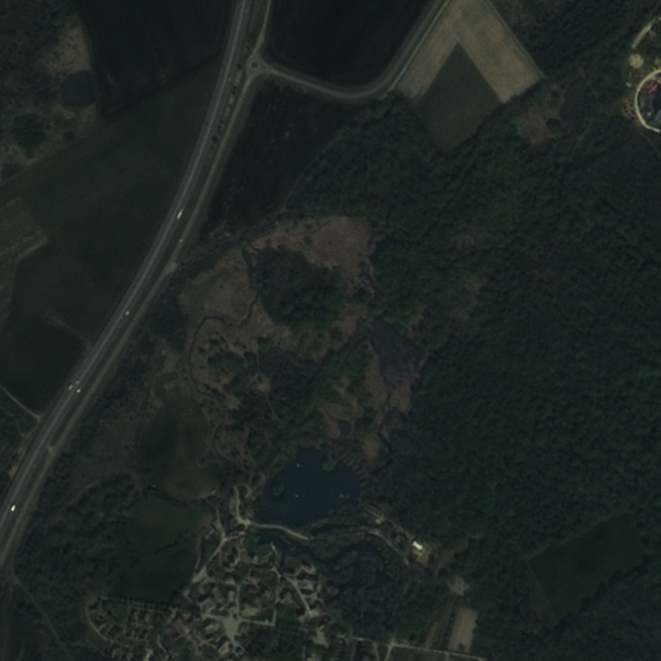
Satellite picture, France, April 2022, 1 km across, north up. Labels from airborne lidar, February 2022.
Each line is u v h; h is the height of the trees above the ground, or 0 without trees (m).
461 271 13
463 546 0
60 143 0
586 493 20
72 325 0
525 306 16
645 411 19
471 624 0
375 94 0
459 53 0
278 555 5
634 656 29
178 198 0
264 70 0
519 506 19
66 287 0
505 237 15
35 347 0
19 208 0
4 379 0
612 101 9
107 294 0
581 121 6
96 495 14
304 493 0
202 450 0
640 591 26
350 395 8
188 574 0
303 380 15
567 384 19
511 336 11
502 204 19
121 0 0
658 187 16
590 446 24
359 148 13
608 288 9
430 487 22
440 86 0
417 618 21
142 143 0
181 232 0
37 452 0
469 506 21
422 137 14
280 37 0
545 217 9
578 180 20
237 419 10
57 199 0
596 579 0
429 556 0
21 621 0
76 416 0
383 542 9
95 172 0
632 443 26
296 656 7
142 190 0
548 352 17
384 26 0
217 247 6
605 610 27
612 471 24
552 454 26
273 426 14
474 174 16
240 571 14
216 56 0
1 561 0
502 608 10
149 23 0
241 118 0
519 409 18
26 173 0
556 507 22
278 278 13
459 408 22
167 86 0
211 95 0
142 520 0
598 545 0
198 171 0
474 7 0
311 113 0
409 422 21
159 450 0
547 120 8
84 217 0
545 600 0
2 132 6
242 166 0
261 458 15
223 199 0
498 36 0
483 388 18
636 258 6
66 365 0
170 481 0
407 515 18
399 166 12
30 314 0
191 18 0
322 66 0
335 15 0
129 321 0
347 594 12
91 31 0
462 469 22
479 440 20
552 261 15
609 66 7
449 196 19
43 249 0
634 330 19
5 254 0
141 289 0
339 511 9
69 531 15
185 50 0
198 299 0
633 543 0
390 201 11
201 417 0
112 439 0
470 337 16
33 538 8
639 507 17
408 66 0
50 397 0
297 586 0
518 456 23
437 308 18
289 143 0
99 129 0
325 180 11
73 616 14
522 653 18
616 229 23
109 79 0
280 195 0
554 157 11
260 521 8
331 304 17
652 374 18
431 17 0
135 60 0
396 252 22
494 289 14
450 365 23
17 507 0
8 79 15
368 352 11
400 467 14
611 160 13
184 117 0
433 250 15
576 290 11
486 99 0
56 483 11
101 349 0
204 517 0
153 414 0
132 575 0
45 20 12
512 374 15
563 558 0
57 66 0
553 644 26
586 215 21
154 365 0
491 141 18
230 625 0
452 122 0
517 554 12
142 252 0
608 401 19
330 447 6
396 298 20
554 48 10
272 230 8
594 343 21
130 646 8
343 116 0
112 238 0
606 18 9
